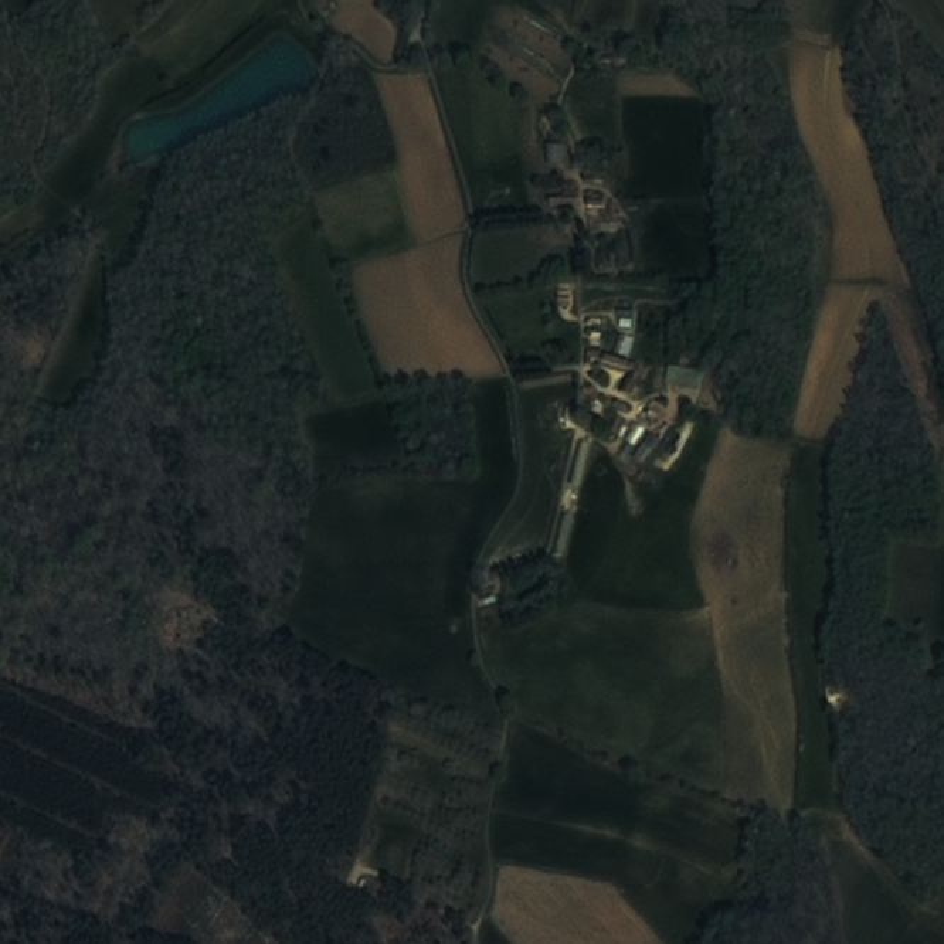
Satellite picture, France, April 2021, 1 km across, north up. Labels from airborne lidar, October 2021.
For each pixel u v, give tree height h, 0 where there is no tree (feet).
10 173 34
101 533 73
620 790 0
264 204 85
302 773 87
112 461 22
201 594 49
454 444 56
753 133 69
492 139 0
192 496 68
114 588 60
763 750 0
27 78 61
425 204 0
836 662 46
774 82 80
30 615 40
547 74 0
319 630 0
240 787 74
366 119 31
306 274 0
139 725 34
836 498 64
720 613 0
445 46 0
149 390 66
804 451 0
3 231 0
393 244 0
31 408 72
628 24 0
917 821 87
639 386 25
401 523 0
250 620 55
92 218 58
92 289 0
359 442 0
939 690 72
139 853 55
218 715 45
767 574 0
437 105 0
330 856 84
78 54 66
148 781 31
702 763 0
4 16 60
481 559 0
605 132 0
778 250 68
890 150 49
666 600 0
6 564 64
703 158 63
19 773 22
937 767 60
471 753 33
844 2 0
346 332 0
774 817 82
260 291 63
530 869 0
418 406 66
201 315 71
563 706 0
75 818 29
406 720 41
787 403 77
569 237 0
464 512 0
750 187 81
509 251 0
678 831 0
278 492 47
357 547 0
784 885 93
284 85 0
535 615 68
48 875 58
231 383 75
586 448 0
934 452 60
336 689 75
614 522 0
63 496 54
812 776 0
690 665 0
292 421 71
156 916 75
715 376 31
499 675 0
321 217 0
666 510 0
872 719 57
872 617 70
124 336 57
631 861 0
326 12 0
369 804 73
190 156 70
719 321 81
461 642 0
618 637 0
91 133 0
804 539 0
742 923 71
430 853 39
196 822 83
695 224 0
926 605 0
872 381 50
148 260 66
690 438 0
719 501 0
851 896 0
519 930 0
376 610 0
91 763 26
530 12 0
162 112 0
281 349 77
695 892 0
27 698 19
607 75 21
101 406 52
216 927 0
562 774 0
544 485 0
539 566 51
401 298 0
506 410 0
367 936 77
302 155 37
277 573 39
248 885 68
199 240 69
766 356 70
